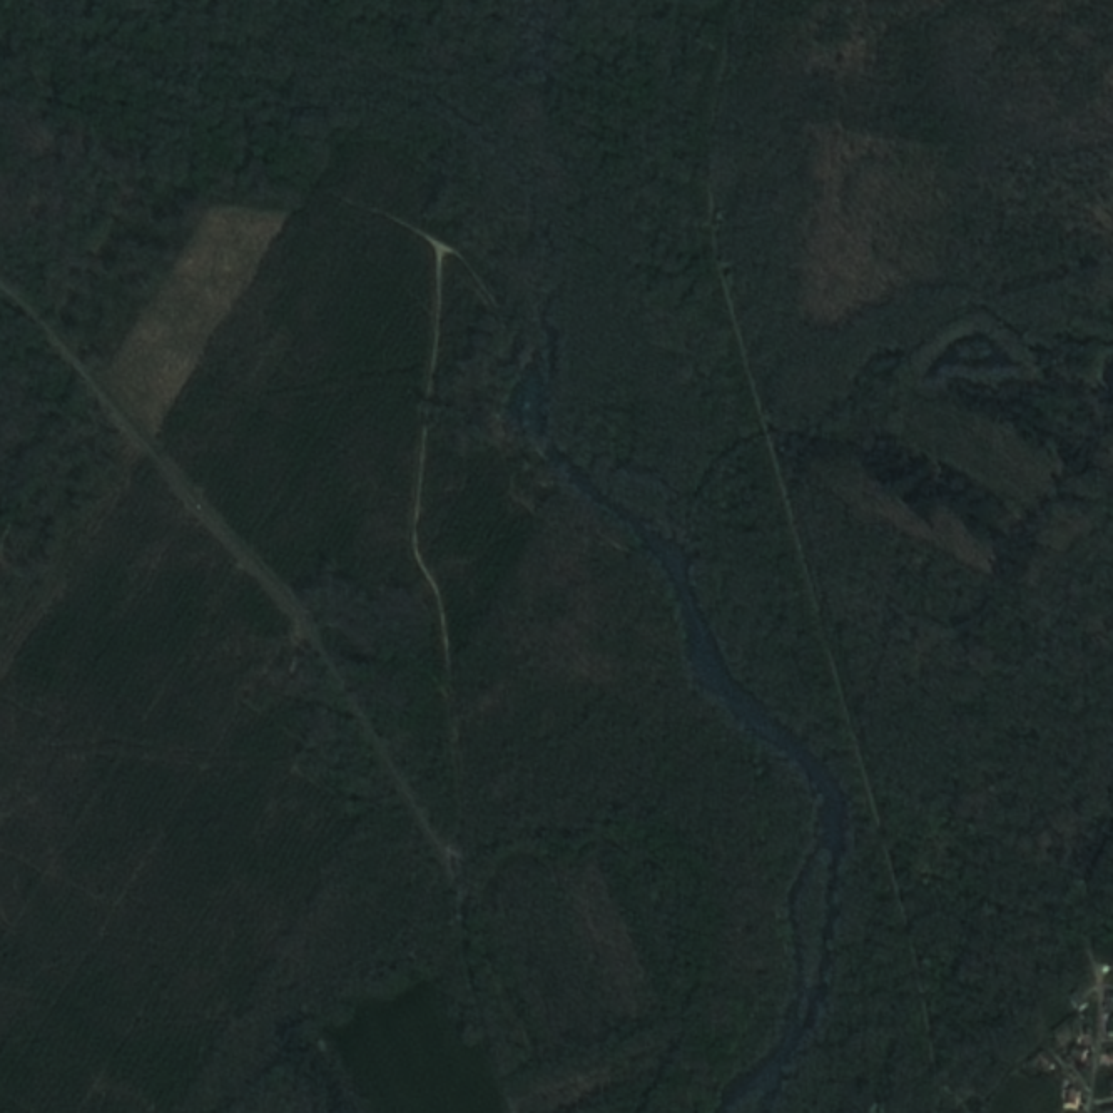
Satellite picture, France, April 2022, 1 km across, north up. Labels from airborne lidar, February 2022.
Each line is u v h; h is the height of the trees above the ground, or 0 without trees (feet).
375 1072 0
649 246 67
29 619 0
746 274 66
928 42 0
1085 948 42
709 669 0
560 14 79
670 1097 79
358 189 29
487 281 23
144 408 0
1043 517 67
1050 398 64
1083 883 63
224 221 0
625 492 76
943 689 93
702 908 76
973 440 0
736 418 71
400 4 62
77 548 0
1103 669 88
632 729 55
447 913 63
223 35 76
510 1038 92
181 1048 21
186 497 0
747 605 70
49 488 82
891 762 87
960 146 51
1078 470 89
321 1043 69
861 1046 93
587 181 85
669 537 50
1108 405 77
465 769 49
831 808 0
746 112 51
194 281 0
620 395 83
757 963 63
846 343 82
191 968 24
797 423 87
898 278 0
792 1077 29
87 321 79
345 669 81
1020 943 76
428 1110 0
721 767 61
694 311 83
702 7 78
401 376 21
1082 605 87
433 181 29
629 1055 85
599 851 64
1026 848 79
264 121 89
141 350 0
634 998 60
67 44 85
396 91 81
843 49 0
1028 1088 0
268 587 0
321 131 81
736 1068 81
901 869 73
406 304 22
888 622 77
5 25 88
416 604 109
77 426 91
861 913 92
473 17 84
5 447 94
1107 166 58
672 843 81
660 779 61
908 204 0
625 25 91
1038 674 76
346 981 50
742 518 75
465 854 65
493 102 75
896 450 84
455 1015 59
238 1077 55
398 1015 0
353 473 28
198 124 71
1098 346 50
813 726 27
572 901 61
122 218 0
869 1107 83
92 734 22
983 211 0
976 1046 81
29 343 85
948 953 73
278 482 24
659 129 69
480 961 73
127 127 76
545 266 78
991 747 95
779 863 55
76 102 83
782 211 71
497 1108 0
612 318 78
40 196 85
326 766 86
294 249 34
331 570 97
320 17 85
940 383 76
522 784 50
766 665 73
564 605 61
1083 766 90
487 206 69
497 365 91
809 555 23
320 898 47
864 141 0
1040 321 93
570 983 0
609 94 57
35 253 84
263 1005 46
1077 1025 27
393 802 52
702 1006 75
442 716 64
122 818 19
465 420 76
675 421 81
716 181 70
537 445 82
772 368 69
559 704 48
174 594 19
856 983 79
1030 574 65
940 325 87
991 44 0
